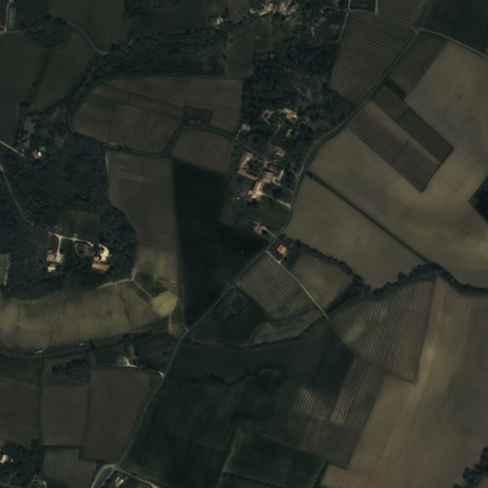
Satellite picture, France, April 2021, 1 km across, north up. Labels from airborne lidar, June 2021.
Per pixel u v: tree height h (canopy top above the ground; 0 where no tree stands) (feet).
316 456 0
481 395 0
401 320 0
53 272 23
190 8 0
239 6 0
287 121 20
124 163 0
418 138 0
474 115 0
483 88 0
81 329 0
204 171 0
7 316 0
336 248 0
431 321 0
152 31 0
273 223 0
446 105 0
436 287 0
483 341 0
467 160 0
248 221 0
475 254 0
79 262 21
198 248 0
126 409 0
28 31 57
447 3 0
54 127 60
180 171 0
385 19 0
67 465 0
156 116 0
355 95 0
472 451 0
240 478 17
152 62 46
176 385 0
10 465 0
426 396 0
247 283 0
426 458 0
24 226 50
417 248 0
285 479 0
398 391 0
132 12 36
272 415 0
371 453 0
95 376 0
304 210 0
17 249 47
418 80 0
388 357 0
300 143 59
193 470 0
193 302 0
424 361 0
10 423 0
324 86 27
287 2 0
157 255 0
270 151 0
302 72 61
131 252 62
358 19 0
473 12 0
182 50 50
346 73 0
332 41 50
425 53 0
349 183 0
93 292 0
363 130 0
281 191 33
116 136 0
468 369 0
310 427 0
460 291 34
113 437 0
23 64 0
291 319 0
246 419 0
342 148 0
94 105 0
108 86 0
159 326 0
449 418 0
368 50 0
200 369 0
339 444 0
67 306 0
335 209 0
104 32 0
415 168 0
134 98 0
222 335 0
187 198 0
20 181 43
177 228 0
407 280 61
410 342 0
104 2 0
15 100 0
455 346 0
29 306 0
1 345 0
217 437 0
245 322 0
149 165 0
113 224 77
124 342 35
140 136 0
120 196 0
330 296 0
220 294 0
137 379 0
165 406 0
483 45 0
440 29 0
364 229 0
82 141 71
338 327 0
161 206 0
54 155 62
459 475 0
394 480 0
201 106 0
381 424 0
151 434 0
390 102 0
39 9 0
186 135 0
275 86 31
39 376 0
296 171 36
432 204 0
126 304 0
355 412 0
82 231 0
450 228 0
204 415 0
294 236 0
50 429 0
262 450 0
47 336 0
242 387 0
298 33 41
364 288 72
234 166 0
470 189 0
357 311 0
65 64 0
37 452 31
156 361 0
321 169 0
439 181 0
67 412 0
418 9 0
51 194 54
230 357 0
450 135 0
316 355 0
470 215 0
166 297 0
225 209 0
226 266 0
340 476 0
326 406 0
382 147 0
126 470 0
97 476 0
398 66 0
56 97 0
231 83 0
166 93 0
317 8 26
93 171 58
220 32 53
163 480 0
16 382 0
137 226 0
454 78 0
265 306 0
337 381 0
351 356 0
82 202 55
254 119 42
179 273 0
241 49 0
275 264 0
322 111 0
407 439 0
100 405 0
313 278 0
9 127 0
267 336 0
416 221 0
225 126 0
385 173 0
